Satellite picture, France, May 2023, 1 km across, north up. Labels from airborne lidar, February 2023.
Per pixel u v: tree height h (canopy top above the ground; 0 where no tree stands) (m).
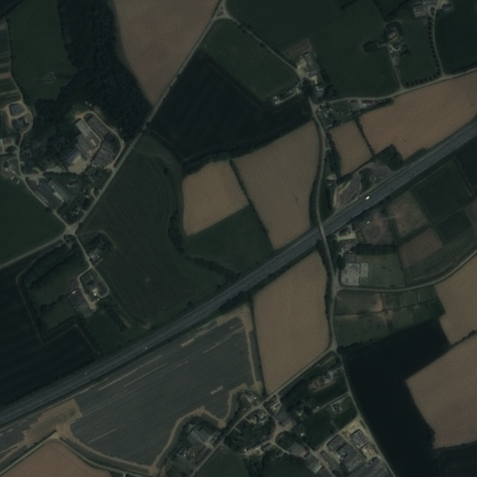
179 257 0
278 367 0
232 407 0
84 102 0
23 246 0
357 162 0
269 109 0
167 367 0
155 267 0
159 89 0
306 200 0
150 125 9
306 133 0
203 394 0
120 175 0
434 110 0
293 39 0
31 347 0
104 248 6
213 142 0
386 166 0
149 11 0
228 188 0
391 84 0
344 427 0
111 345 0
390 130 0
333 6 0
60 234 0
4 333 0
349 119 0
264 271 0
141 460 0
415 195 0
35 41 0
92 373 0
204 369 0
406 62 0
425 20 0
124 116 21
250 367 0
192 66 0
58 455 0
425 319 0
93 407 0
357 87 0
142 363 0
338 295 0
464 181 0
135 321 0
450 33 0
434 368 0
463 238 0
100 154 0
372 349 0
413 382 0
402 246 0
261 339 0
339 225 0
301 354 0
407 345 0
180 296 0
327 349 0
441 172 0
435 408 0
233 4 0
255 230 0
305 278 0
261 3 0
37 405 0
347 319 0
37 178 0
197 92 0
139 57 0
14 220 0
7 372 0
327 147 0
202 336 0
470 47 0
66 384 0
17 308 0
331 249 10
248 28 12
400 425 0
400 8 8
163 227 0
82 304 0
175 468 0
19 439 0
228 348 0
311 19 0
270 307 0
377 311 0
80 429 0
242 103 0
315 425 0
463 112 0
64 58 0
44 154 11
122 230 0
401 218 0
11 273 0
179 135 0
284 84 0
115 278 0
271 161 0
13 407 0
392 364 0
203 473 0
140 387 0
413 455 0
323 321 0
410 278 0
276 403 0
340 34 0
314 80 0
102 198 0
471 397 0
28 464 0
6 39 0
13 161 0
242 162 0
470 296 0
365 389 0
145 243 0
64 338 0
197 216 0
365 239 0
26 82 0
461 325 0
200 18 0
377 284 0
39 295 0
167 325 0
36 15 0
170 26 0
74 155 0
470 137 0
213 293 0
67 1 18
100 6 20
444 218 0
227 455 0
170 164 0
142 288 0
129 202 0
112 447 0
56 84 0
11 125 0
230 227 0
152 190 0
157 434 0
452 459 0
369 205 0
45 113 29
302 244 0
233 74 0
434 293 0
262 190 0
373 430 0
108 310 13
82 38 20
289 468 0
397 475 0
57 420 0
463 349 0
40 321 10
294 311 0
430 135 0
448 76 0
